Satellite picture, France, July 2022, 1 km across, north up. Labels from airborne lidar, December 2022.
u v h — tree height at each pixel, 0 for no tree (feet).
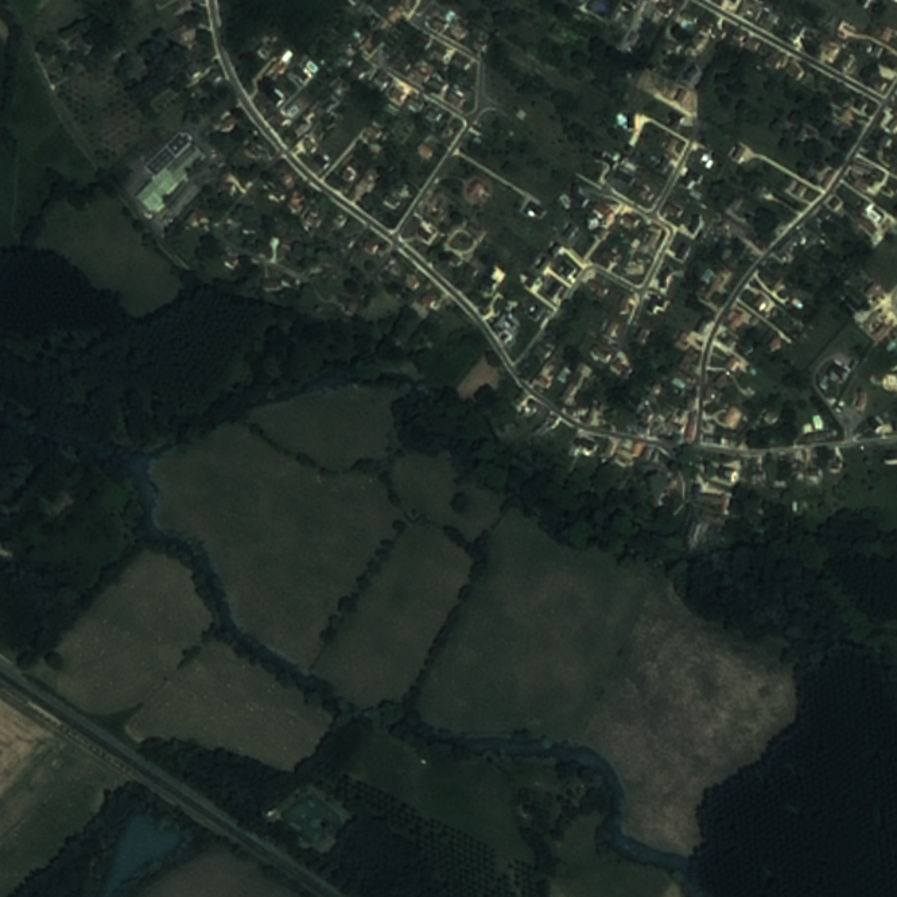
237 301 67
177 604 0
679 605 0
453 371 0
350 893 30
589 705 0
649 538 71
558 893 0
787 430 39
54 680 0
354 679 0
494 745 0
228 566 0
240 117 24
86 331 121
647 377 25
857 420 0
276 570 0
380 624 0
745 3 0
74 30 49
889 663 52
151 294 0
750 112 57
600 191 0
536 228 0
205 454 0
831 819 102
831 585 96
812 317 22
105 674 0
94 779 0
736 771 0
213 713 0
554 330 44
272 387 23
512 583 0
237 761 73
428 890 73
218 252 28
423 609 0
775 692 0
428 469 0
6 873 0
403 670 0
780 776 103
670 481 56
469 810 0
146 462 0
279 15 24
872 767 93
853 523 58
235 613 0
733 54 27
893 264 0
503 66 25
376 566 49
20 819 0
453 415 29
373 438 0
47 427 76
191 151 0
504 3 37
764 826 106
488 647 0
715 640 0
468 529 0
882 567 74
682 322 0
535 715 0
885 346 0
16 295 133
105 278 0
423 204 0
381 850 77
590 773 79
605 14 23
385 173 51
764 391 0
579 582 0
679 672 0
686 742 0
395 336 26
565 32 24
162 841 0
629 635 0
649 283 0
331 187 0
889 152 34
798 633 97
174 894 0
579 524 67
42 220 38
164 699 0
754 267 0
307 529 0
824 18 0
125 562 36
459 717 0
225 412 73
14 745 0
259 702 0
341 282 0
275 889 0
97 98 0
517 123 0
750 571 122
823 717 95
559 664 0
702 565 57
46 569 22
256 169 42
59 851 0
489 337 0
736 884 108
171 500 0
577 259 0
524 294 0
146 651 0
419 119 35
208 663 0
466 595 34
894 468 0
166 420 91
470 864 65
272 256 0
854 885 95
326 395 0
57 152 0
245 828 52
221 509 0
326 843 0
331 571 0
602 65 33
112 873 0
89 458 49
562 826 47
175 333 100
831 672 94
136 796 31
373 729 34
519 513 0
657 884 0
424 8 0
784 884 105
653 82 0
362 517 0
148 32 0
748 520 26
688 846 0
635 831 0
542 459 52
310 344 41
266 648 0
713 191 35
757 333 33
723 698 0
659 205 0
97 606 0
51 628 79
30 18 0
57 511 0
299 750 0
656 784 0
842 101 38
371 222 0
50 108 0
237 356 102
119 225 0
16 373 114
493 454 81
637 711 0
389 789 0
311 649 0
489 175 0
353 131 0
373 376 93
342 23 21
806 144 40
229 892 0
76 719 0
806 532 58
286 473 0
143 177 0
